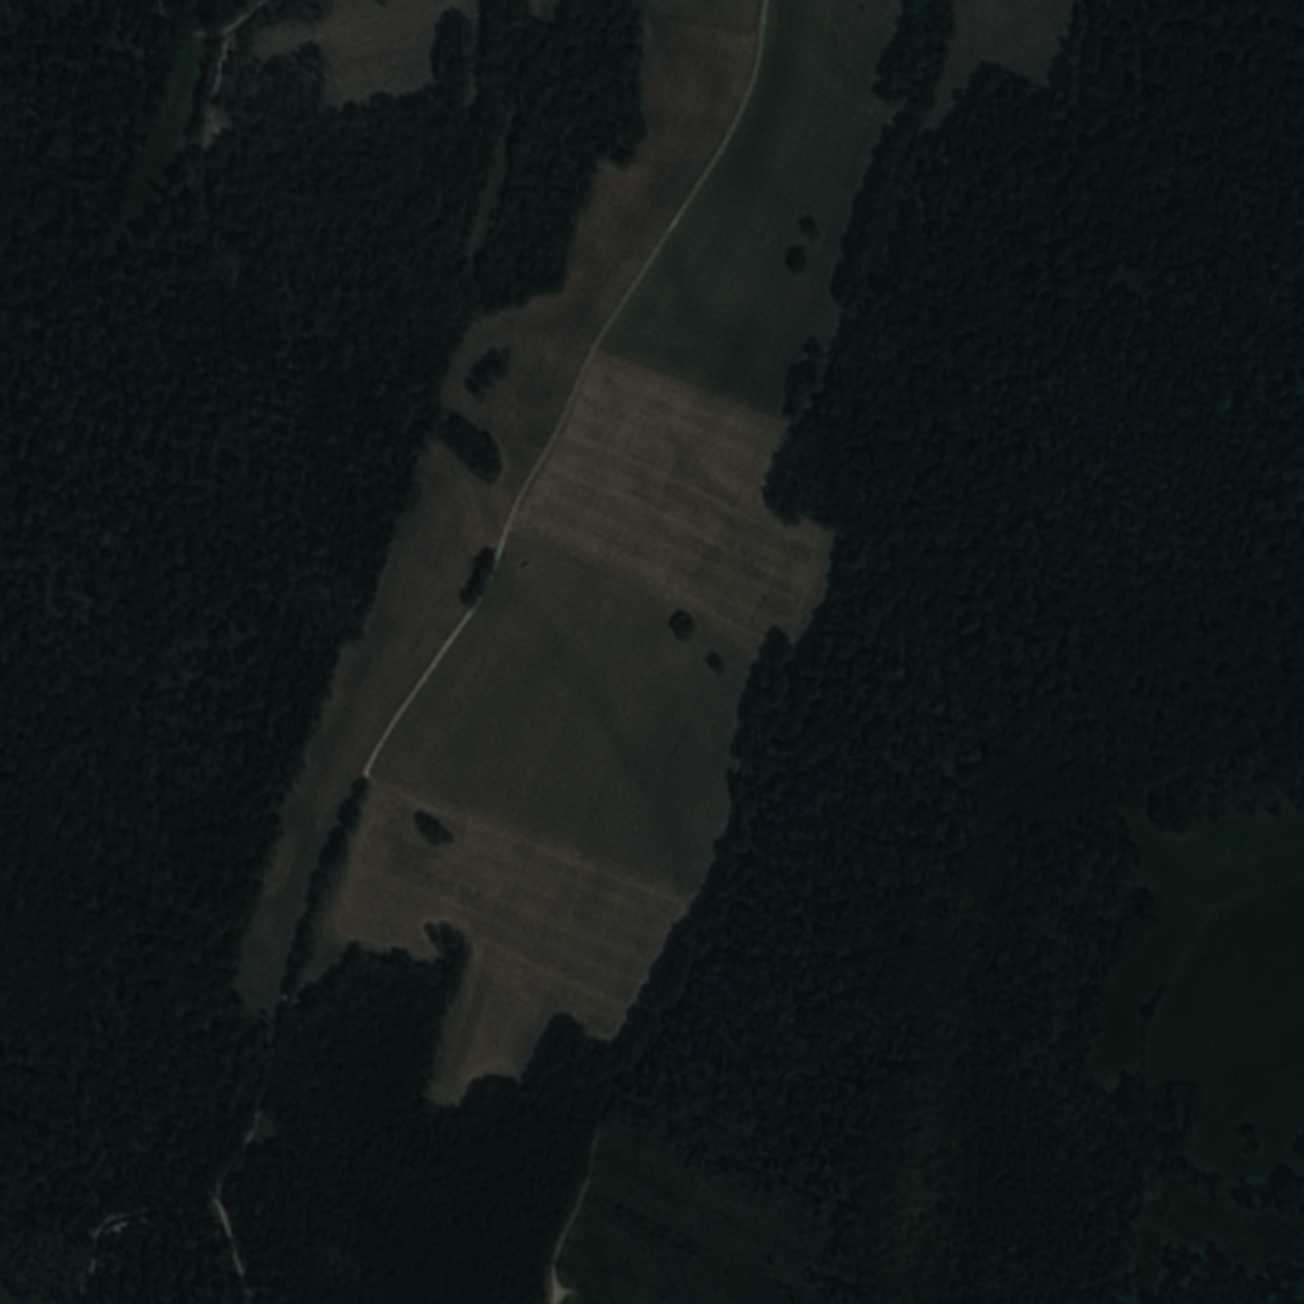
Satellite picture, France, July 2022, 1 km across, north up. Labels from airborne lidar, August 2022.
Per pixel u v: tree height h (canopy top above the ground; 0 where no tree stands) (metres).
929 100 19
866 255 13
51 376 30
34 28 18
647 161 0
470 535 0
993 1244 20
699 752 0
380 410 14
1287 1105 0
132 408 11
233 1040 18
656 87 0
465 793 0
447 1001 7
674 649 0
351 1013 9
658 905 0
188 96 0
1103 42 17
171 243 16
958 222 20
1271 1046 0
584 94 14
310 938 16
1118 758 22
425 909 0
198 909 18
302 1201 11
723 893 18
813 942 17
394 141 13
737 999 18
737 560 0
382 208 9
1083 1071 21
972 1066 19
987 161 13
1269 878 0
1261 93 24
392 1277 13
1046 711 18
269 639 12
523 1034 0
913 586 20
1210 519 18
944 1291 23
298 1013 9
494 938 0
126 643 19
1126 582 14
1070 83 25
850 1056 15
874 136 0
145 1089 18
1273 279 23
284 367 10
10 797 17
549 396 0
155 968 19
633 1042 17
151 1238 13
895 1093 15
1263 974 0
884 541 17
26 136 9
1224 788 11
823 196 0
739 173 0
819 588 0
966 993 20
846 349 18
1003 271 19
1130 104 27
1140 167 20
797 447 17
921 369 21
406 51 0
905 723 15
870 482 20
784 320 0
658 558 0
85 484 19
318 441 12
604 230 0
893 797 16
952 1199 25
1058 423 20
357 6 0
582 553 0
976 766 24
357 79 0
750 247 0
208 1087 19
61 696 18
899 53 18
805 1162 8
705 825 0
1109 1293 26
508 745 0
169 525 20
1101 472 16
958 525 24
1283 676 25
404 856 0
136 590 23
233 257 25
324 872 12
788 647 21
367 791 11
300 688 15
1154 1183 25
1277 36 24
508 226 14
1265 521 23
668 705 0
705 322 0
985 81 16
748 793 21
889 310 20
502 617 0
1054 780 25
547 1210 12
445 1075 0
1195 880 0
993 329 21
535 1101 11
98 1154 17
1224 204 23
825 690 22
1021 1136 19
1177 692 21
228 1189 18
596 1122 11
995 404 21
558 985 0
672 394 0
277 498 20
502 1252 12
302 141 9
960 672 17
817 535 0
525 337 0
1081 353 20
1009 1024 19
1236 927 0
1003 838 22
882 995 19
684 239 0
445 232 12
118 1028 18
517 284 16
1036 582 23
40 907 16
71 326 30
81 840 17
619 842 0
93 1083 16
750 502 0
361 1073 11
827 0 0
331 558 19
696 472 0
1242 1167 0
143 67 16
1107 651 20
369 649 0
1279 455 24
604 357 0
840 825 21
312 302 22
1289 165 21
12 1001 18
